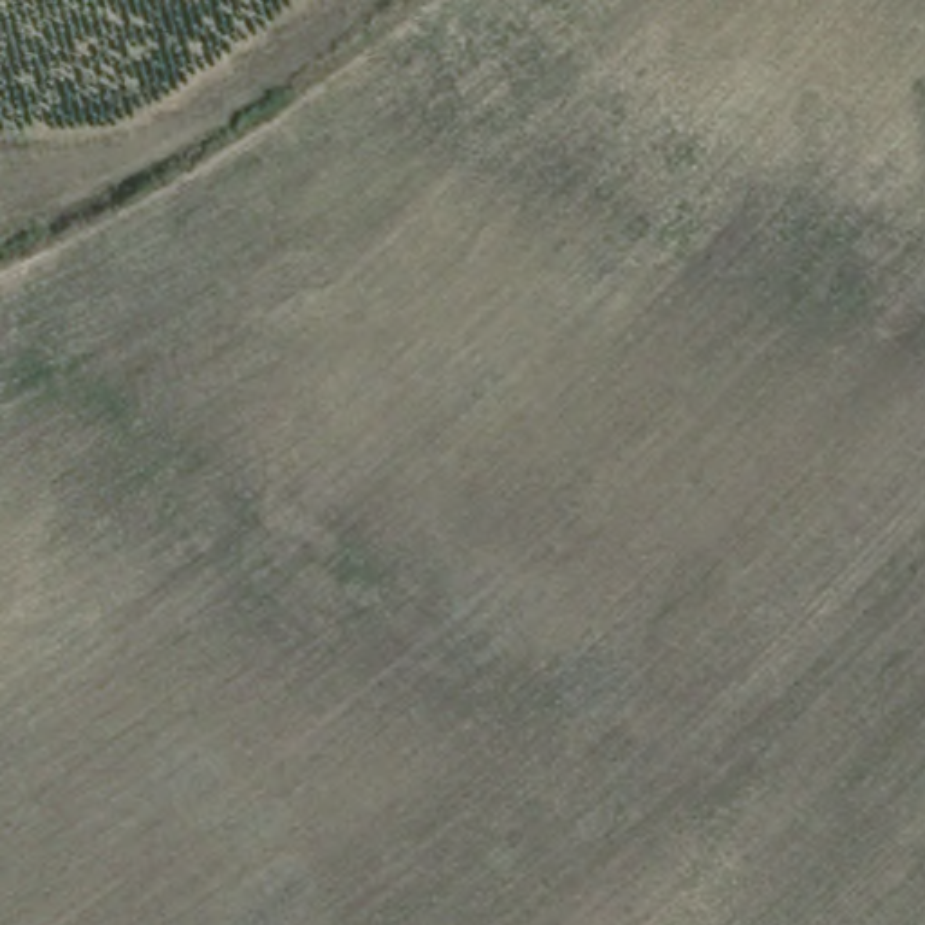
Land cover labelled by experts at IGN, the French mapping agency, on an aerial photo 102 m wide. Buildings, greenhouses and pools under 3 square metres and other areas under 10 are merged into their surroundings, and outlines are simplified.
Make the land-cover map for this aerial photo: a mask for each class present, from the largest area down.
<instances>
[{"label":"agricultural land","instance_id":"1","mask_svg":"<svg viewBox=\"0 0 925 925\"><path fill-rule=\"evenodd\" d=\"M0 925H925V0H426L412 7L408 18L394 25L387 36H376L361 54H354L347 65H340L322 83L300 90L267 123H257L224 148L210 152L199 166L166 177L159 188L141 192L126 206L101 213L90 224L69 228L51 246H40L29 257L0 267Z\"/></svg>","mask_w":925,"mask_h":925},{"label":"herbaceous vegetation","instance_id":"2","mask_svg":"<svg viewBox=\"0 0 925 925\"><path fill-rule=\"evenodd\" d=\"M426 0H289L257 33L231 40V47L213 65L188 72L170 94L134 108L116 123L79 126V141H0V242L25 224H51L61 210L199 141L213 126L228 123V116L238 105L253 101L267 87L285 90L289 101L300 90L322 83L340 65H347L354 54H361L376 36H387L394 25L408 18L412 7Z\"/></svg>","mask_w":925,"mask_h":925},{"label":"vineyard","instance_id":"3","mask_svg":"<svg viewBox=\"0 0 925 925\"><path fill-rule=\"evenodd\" d=\"M289 0H0V141H79V126L116 123L134 108L170 94L188 72L213 65L231 47V40L257 33Z\"/></svg>","mask_w":925,"mask_h":925},{"label":"brushwood","instance_id":"4","mask_svg":"<svg viewBox=\"0 0 925 925\"><path fill-rule=\"evenodd\" d=\"M289 101L285 90L267 87L253 101L238 105L228 116V123L213 126L199 141L61 210L51 224H25L0 242V267L29 257L40 246H51L69 228L90 224L101 213L126 206L141 192L159 188L166 177L199 166L210 152L224 148L257 123H267Z\"/></svg>","mask_w":925,"mask_h":925}]
</instances>
